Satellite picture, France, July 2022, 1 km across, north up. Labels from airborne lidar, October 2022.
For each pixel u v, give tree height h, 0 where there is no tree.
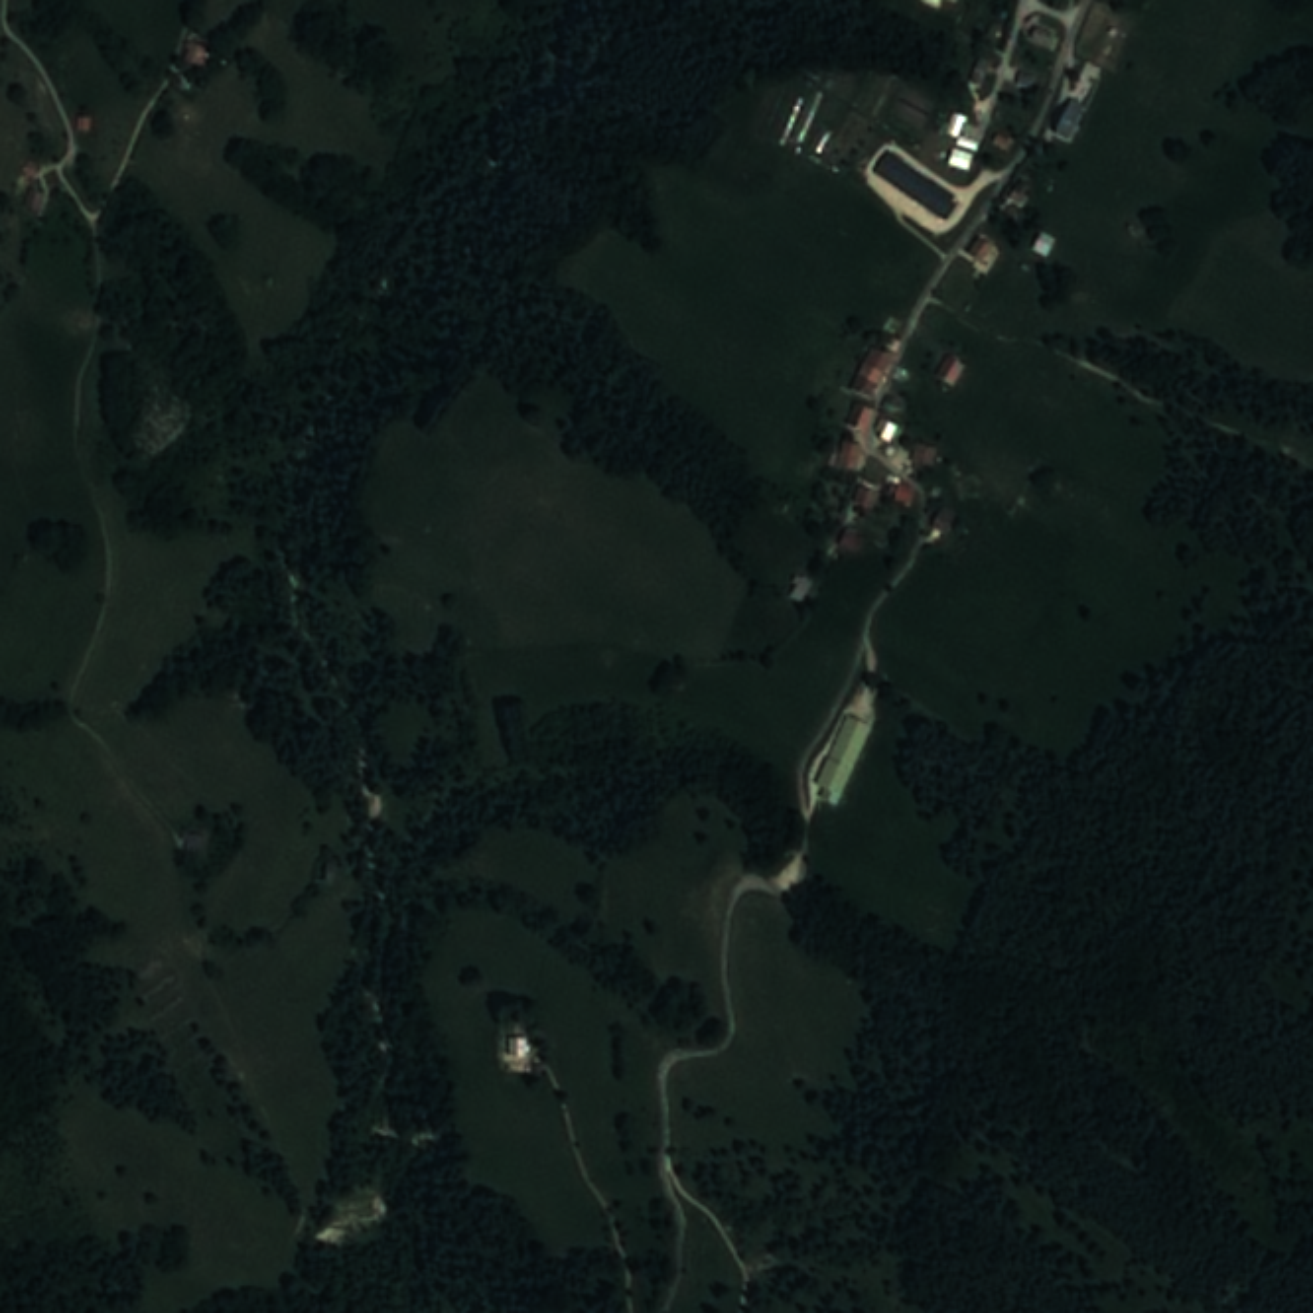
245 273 0
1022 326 0
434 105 14
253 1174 11
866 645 0
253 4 9
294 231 0
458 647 17
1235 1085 19
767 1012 0
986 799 19
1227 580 0
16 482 0
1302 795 19
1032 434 0
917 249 0
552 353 11
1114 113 0
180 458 16
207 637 13
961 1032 27
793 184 0
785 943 0
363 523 23
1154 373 15
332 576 9
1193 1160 20
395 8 0
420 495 0
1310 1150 0
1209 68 0
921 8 0
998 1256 21
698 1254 0
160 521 20
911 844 0
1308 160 28
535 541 0
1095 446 0
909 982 23
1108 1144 18
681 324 0
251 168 19
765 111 0
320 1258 18
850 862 0
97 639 0
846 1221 5
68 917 17
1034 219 10
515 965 0
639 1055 0
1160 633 0
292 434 18
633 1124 15
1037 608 0
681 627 0
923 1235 18
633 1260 9
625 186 9
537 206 26
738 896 0
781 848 17
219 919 0
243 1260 0
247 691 10
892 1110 18
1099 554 0
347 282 21
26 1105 12
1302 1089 17
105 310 12
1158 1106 9
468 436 0
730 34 25
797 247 0
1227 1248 18
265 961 0
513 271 13
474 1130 0
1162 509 14
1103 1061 16
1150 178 0
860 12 20
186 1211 0
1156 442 0
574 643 0
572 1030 0
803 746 0
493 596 0
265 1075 0
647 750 7
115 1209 0
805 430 0
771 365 0
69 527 18
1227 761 17
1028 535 0
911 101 0
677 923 0
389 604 0
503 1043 0
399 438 0
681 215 0
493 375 9
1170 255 8
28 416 0
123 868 0
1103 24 0
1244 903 22
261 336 0
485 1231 19
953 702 0
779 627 0
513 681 0
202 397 15
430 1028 14
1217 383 9
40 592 0
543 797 18
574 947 22
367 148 0
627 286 0
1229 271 0
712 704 0
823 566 16
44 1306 25
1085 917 10
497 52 8
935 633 0
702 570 0
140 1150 0
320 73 0
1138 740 16
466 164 22
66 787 0
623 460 19
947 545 0
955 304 0
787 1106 0
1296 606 16
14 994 15
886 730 0
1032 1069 26
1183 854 14
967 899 0
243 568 19
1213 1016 20
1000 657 0
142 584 0
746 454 8
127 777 0
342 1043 6
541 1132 0
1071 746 0
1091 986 12
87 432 0
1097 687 0
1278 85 15
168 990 0
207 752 0
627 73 22
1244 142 0
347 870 14
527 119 38
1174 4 0
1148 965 13
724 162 0
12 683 0
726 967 0
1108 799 11
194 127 0
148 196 18
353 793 19
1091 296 0
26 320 0
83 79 0
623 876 0
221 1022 0
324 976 0
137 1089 13
